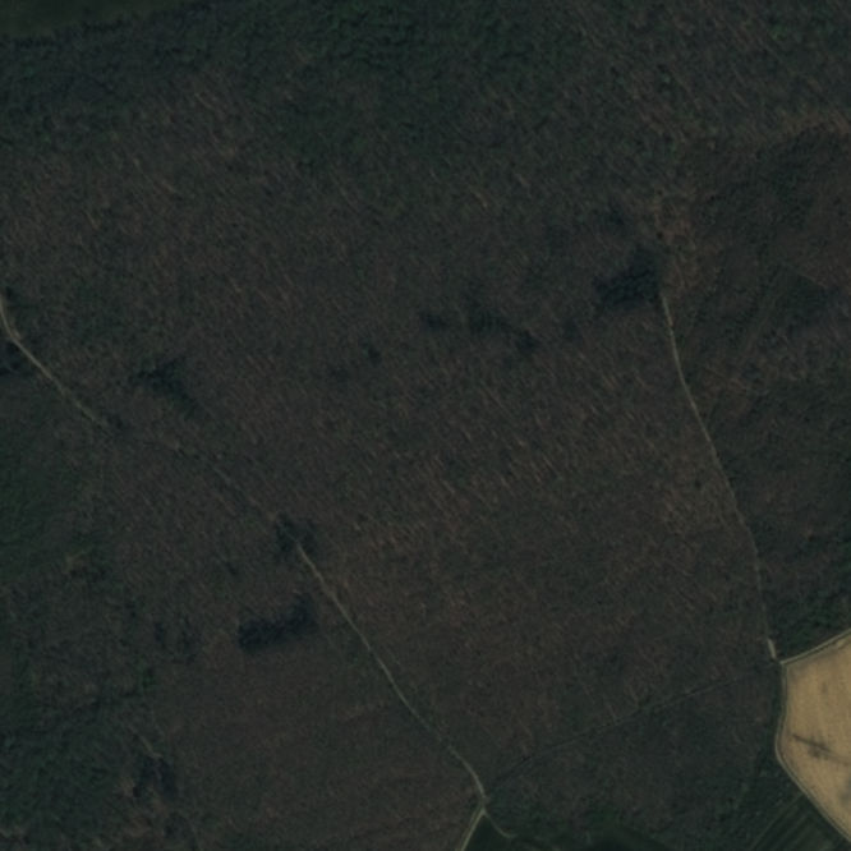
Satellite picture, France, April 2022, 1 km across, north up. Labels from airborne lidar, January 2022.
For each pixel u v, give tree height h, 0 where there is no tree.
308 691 18
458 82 27
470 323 15
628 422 25
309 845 18
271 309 24
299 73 29
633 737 12
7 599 7
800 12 24
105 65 23
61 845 28
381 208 26
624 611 14
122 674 17
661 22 23
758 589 14
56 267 22
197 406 23
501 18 27
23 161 20
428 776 17
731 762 19
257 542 24
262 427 22
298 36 26
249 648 25
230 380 25
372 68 27
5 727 9
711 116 27
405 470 24
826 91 27
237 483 24
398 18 26
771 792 7
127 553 21
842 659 0
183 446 24
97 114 27
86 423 22
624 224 21
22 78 24
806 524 12
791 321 7
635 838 0
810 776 0
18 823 25
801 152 12
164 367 19
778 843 0
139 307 21
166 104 29
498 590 17
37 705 8
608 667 15
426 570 18
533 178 28
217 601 23
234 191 26
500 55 27
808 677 0
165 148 26
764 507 14
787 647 11
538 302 23
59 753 24
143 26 22
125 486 21
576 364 25
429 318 21
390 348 21
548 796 18
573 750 16
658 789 18
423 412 22
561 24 27
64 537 19
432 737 18
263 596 25
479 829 0
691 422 21
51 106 26
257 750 18
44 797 25
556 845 0
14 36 0
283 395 21
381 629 16
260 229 22
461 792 18
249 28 27
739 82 28
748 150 7
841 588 18
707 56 26
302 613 23
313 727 18
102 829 27
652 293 21
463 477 25
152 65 24
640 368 24
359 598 19
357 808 19
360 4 27
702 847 21
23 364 14
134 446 21
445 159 26
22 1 0
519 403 24
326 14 25
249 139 29
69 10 0
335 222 24
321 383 24
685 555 18
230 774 20
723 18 28
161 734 23
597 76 26
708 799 16
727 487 12
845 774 0
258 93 26
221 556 24
